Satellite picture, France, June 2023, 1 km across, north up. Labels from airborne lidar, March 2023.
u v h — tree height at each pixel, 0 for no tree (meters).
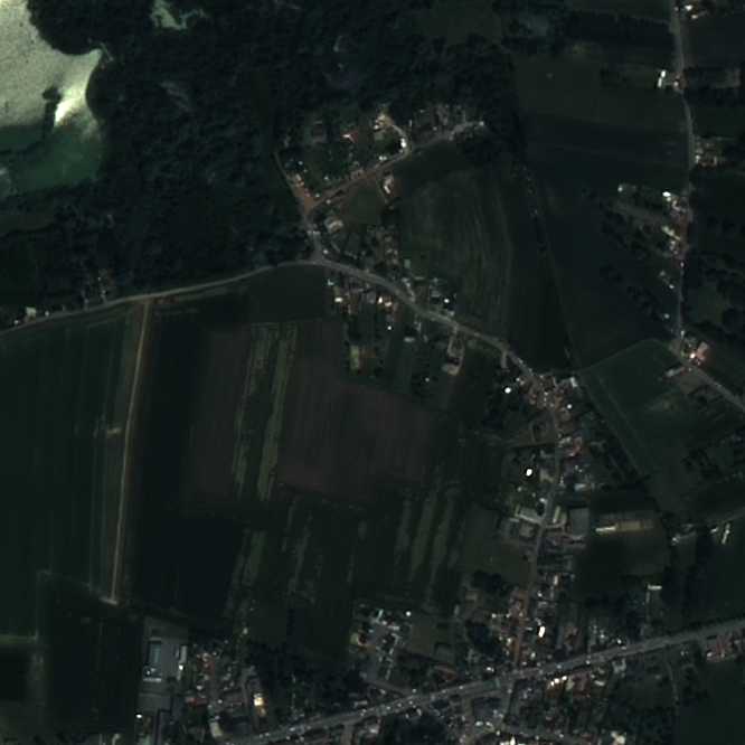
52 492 0
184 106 0
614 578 0
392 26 15
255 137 18
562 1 17
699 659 13
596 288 0
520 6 18
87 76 0
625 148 0
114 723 0
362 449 0
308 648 0
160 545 0
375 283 0
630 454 0
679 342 0
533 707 10
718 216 0
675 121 0
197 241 7
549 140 0
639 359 0
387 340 0
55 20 9
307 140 0
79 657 0
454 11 0
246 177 7
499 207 0
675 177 0
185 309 0
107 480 0
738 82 0
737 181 0
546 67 0
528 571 0
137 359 0
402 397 0
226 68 14
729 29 0
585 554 0
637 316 0
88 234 19
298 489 0
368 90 6
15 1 0
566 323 0
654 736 0
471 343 0
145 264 8
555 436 0
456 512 0
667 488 0
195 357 0
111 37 10
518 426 0
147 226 7
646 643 0
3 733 0
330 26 7
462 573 0
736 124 0
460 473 0
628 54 0
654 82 0
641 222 0
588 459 0
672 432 0
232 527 0
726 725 0
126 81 8
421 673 8
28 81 0
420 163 0
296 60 17
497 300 0
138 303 0
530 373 0
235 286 0
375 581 0
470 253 0
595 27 30
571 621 0
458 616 0
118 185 8
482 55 10
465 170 0
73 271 7
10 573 0
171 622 0
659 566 0
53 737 0
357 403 0
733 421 0
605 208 13
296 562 0
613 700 12
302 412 0
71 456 0
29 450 0
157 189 13
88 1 19
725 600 0
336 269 0
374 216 0
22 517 0
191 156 9
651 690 0
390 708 0
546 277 0
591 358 0
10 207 13
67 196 17
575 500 0
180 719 7
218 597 0
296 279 0
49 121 6
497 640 9
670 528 7
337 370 0
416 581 0
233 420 0
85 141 0
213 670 0
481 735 0
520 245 0
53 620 0
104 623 0
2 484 0
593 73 0
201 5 15
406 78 23
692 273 18
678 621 0
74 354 0
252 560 0
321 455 0
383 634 0
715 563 0
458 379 0
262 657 10
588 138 0
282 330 0
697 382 0
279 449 0
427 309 0
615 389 0
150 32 18
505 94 6
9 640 0
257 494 0
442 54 16
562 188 0
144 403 0
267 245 15
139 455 0
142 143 16
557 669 0
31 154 9
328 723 0
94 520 0
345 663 0
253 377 0
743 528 0
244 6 15
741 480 0
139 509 0
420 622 0
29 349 0
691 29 0
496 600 0
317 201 0
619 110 0
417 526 0
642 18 0
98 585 0
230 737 0
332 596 0
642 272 0
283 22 12
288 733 0
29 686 0
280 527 0
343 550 0
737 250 0
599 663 0
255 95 0
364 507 0
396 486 0
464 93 18
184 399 0
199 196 6
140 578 0
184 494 0
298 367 0
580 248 0
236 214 7
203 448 0
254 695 0
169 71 7
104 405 0
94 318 0
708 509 0
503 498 0
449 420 0
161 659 0
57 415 0
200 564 0
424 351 0
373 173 0
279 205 0
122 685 0
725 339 7
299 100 5
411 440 0
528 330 0
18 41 0
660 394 0
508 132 6
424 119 0
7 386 0
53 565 0
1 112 0
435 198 0
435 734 12
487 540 0
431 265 0
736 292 22
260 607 0
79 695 0
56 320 0
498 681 0
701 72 11
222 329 0
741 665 10
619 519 0
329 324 0
